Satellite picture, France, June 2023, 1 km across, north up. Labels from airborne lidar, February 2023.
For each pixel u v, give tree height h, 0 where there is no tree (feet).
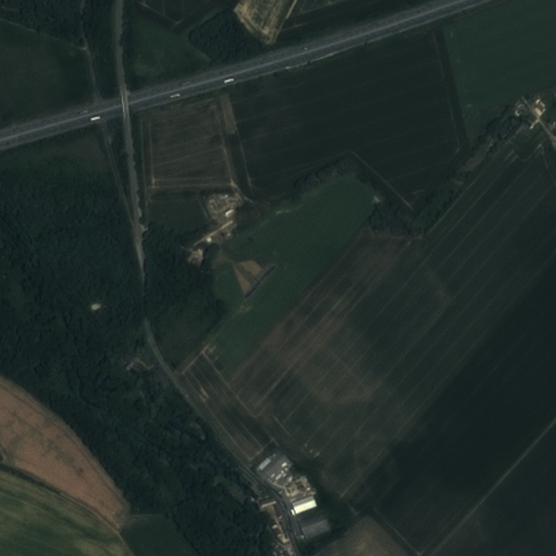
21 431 0
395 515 0
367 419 0
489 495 0
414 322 0
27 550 0
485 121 0
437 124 0
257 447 0
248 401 0
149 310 59
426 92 0
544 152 0
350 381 0
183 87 0
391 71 0
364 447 0
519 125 32
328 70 0
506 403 0
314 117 0
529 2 0
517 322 0
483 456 0
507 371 0
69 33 54
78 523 0
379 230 53
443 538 0
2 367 23
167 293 39
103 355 41
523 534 0
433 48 0
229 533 67
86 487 0
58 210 59
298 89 0
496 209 0
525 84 0
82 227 41
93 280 55
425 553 0
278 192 0
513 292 0
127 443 48
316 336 0
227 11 34
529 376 0
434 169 0
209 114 0
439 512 0
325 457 0
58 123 0
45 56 0
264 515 47
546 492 0
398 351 0
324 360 0
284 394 0
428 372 0
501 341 0
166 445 43
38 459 0
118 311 63
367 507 0
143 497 58
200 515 106
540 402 0
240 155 0
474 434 0
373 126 0
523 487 0
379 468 0
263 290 0
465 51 0
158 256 42
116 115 0
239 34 45
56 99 0
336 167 53
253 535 114
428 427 0
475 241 0
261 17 0
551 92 0
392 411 0
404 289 0
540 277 0
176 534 0
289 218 0
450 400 0
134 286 70
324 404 0
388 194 0
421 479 0
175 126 0
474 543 0
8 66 0
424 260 0
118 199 32
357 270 0
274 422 0
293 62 0
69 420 56
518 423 0
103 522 0
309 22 0
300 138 0
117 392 46
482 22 0
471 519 0
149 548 0
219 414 0
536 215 0
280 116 0
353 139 0
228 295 0
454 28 0
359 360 0
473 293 0
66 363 65
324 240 0
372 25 0
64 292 56
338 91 0
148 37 0
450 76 0
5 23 0
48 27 52
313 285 0
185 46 0
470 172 24
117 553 0
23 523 0
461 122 0
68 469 0
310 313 0
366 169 0
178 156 0
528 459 0
